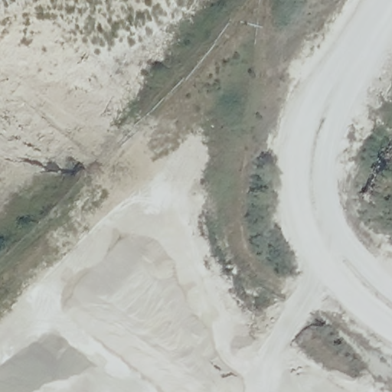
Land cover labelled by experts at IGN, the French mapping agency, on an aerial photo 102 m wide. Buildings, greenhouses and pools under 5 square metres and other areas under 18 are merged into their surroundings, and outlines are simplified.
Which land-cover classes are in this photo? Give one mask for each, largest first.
<instances>
[{"label":"pervious surface","instance_id":"1","mask_svg":"<svg viewBox=\"0 0 392 392\"><path fill-rule=\"evenodd\" d=\"M28 0H0V211L9 204L12 193H17L23 185H31L32 178L40 175L41 171L63 173L66 158L70 156L78 162H83V171L92 173L93 184L103 185L109 193L100 208L87 214L90 230L80 234V239L73 250L43 271L35 279L34 285L29 286L18 297L17 302L12 305L11 312L0 320V392H381V383L367 375L361 377L351 378L341 372L328 371L322 364L311 360L302 349L297 348L294 337L312 320L311 314L315 311L340 314L351 331L363 335L369 341V345L383 351L386 361L381 363L377 355L364 351L354 338L345 332H338V337L346 341L367 366L381 377H392V245L389 243L383 245L374 256L358 240L346 220L345 211L338 201L337 184L346 179L348 173L355 171V156L364 144V139L371 135L372 129V122L367 118V109H380L383 104L392 100V0H346L340 14L332 15L334 23L329 24L322 47L315 49L311 58L302 60L297 55L289 63L288 73L291 81L285 104L280 109L276 129L269 132L266 141L277 162L282 184L277 191L279 204L273 219L282 228L283 237L296 254L294 276L286 277L282 285V292L286 296L285 302L274 303L262 311L240 309L243 300L236 297V294H230L233 280L222 273L219 262L211 254L210 243L201 237L198 230V217L207 198L201 184L208 162V147L202 144L204 136L187 135V139L179 145L176 152L158 161H152L149 141L158 126L155 118L149 119L147 126H113L118 110L129 104L135 100L139 90L144 86L142 70L152 66L153 61L164 60L167 41L173 40L178 34L179 21L185 14L198 12L201 9V0H152L165 12V15H159L162 24L158 26L155 21L150 20L145 21L139 28L132 26V29L127 31L119 29L113 46H107L106 37L98 32L100 24L110 31V24L107 21L127 17L121 8L132 6L136 11H152L150 6L136 3V0H69V5L73 6L72 14L52 9L49 14L57 15V18L40 20L34 6L23 5Z\"/></svg>","mask_w":392,"mask_h":392},{"label":"herbaceous vegetation","instance_id":"2","mask_svg":"<svg viewBox=\"0 0 392 392\"><path fill-rule=\"evenodd\" d=\"M23 5L34 6L40 20L57 18V15L49 14L52 9L72 14L73 6L69 5V0H28ZM136 3L150 6L152 11H136L132 6L121 8L127 17L107 21L110 24V31L100 24L98 32L106 37L107 46H113L119 29L127 31L132 29V26L139 28L145 21L150 20L155 21L158 26L162 24L159 15H165V12L152 0H136ZM346 0H245L237 12L231 14L228 23L220 29L207 52L194 64L187 77L179 80L162 100L153 104L147 110V115H136L132 118L129 104L118 110L113 126H147L149 119L155 118L158 126L149 141L152 161H158L176 152L179 145L187 139V135L204 136L202 144L208 147V162L201 184L207 198L198 217V230L201 237L210 243L211 254L219 262L222 273L233 280L230 294H236V297L243 300L240 309L262 311L274 303L285 302L286 296L282 292V285L286 277L274 273L273 266L268 265L265 256H256L251 251L248 243L250 231L245 220V213L250 204L248 191L253 184V175H257L260 168L265 165L277 162L266 141L269 132L276 129L280 109L285 104L291 81L288 73L289 63L297 55L302 60L311 58L315 49L322 47L329 24L334 23L332 15L340 14ZM367 118L372 122V129L380 126L392 135V100L383 104L380 109H367ZM109 193L103 185L93 184L92 173L83 171V162H78L70 156L66 158L63 173L41 171L40 175L32 178L31 185H23L17 193H12L9 204L0 211V320L11 312L12 305L17 302L18 297L29 286L34 285L35 279L43 271L73 250L80 239V234L90 230L87 214L100 208ZM47 204L54 208L43 219L38 220L37 224L18 222L17 217L29 216L35 208L41 210V207ZM355 171L348 173L346 179L337 184L338 201L345 211L346 220L358 240L374 256L383 245L389 243V234L375 233L358 217L361 204L358 202V191L354 188ZM312 320L320 318L325 323L338 322V332H345L354 338L364 351L377 355L381 363L386 361L383 351L369 345V341L363 335L351 331L340 314L315 311L311 314ZM367 375L381 383V392H392V377H381L367 366L361 372V377Z\"/></svg>","mask_w":392,"mask_h":392},{"label":"brushwood","instance_id":"3","mask_svg":"<svg viewBox=\"0 0 392 392\"><path fill-rule=\"evenodd\" d=\"M245 0H201V9L198 12L185 14L179 21L178 34L173 40L167 41L164 60L153 61L152 66L142 70L144 86L139 90L135 100L129 104L132 118L136 115H147V110L153 104L162 100L179 80L187 77L194 64L207 52L220 29L228 23L231 14L237 12ZM355 171L354 188L358 191V202L361 204L358 217L375 233L389 234V243L392 245V135L380 126L372 129L371 135L364 139V144L355 156ZM54 208L47 204L41 207V210L35 208L29 216L17 217L18 222L37 224L38 220L43 219ZM338 322L325 323L320 318L312 320L294 337L297 348L302 349L311 360L322 364L328 371L341 372L351 378L361 377V372L367 366L346 341L338 337Z\"/></svg>","mask_w":392,"mask_h":392},{"label":"deciduous trees","instance_id":"4","mask_svg":"<svg viewBox=\"0 0 392 392\"><path fill-rule=\"evenodd\" d=\"M282 184L277 162L265 165L260 168L257 175H253V184L248 191L250 204L245 213V220L250 231L248 243L251 251L256 256H265L268 265L273 266L274 273L286 277L294 276L296 254L283 237L282 228L273 219L279 204L277 191Z\"/></svg>","mask_w":392,"mask_h":392}]
</instances>
